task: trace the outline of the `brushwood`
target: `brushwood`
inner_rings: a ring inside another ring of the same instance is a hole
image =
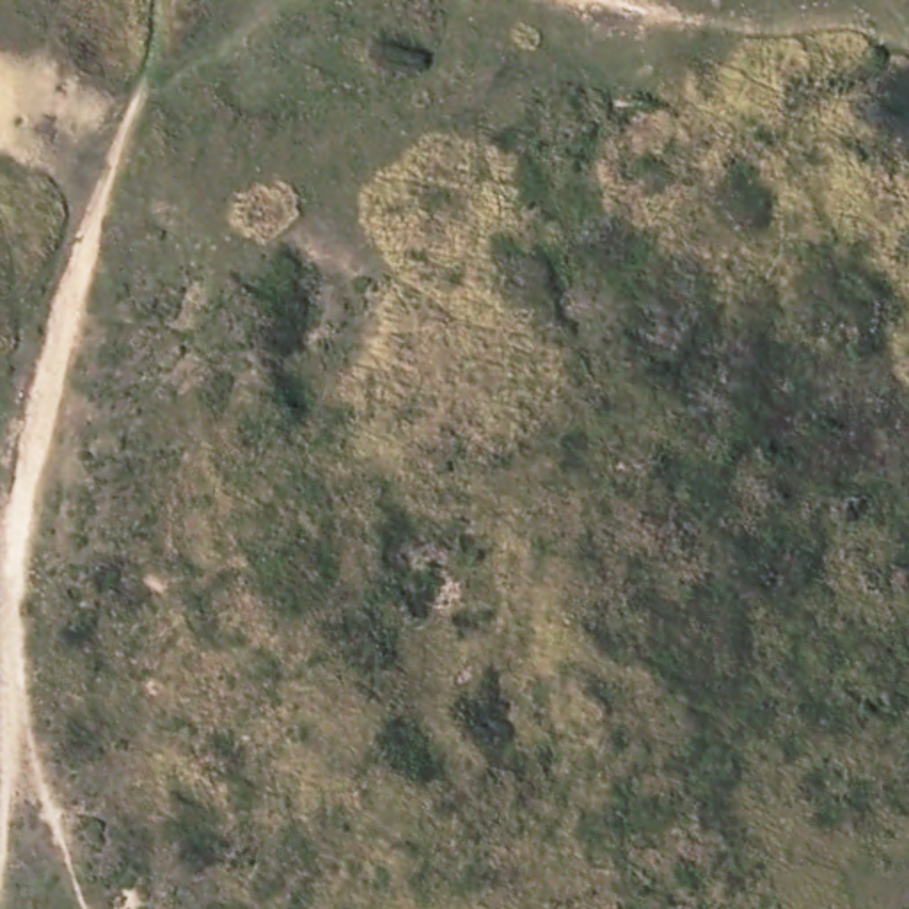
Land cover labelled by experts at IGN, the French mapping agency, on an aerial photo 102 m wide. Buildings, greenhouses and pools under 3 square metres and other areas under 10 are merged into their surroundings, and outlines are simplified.
[[[277,245],[266,273],[231,273],[231,281],[270,316],[266,327],[249,327],[245,341],[252,352],[259,352],[263,373],[273,387],[273,401],[302,423],[309,415],[312,391],[302,376],[288,373],[288,359],[305,348],[305,334],[316,327],[320,266],[309,263],[298,249],[281,245]]]
[[[380,64],[415,71],[433,67],[433,53],[423,43],[387,32],[373,50]]]
[[[188,870],[217,866],[220,852],[227,849],[227,838],[220,831],[192,831],[178,838],[181,863]]]

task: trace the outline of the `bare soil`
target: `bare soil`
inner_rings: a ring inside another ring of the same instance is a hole
[[[284,181],[273,181],[238,192],[227,209],[227,224],[241,238],[277,245],[281,245],[281,234],[298,217],[298,206],[295,192]]]
[[[636,14],[575,7],[582,25],[600,39],[636,39],[646,36],[653,25]]]
[[[96,405],[64,383],[39,490],[53,483],[75,483],[85,469],[78,458],[78,426],[96,419]]]
[[[220,60],[245,57],[249,43],[256,43],[259,32],[273,25],[281,11],[295,0],[252,0],[252,14],[217,43]]]
[[[14,419],[7,440],[0,444],[0,465],[18,476],[25,419]]]
[[[181,0],[0,0],[0,53],[46,57],[57,64],[60,75],[78,75],[78,85],[96,89],[99,96],[131,99],[135,89],[149,92],[149,78],[156,75],[167,46],[181,32]]]
[[[888,327],[891,369],[898,380],[909,376],[909,334],[902,327]]]
[[[92,909],[138,909],[138,891],[92,888],[89,895]]]

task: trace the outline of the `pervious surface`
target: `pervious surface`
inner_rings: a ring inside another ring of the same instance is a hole
[[[25,419],[18,476],[0,465],[0,909],[4,909],[11,817],[18,802],[39,802],[75,909],[92,909],[89,895],[75,859],[71,827],[64,824],[60,802],[50,788],[50,771],[43,763],[28,710],[21,600],[28,540],[36,526],[32,511],[39,490],[64,383],[71,355],[78,348],[78,330],[85,316],[92,270],[99,259],[99,234],[110,209],[110,195],[121,178],[135,121],[149,92],[135,89],[131,99],[99,96],[96,89],[78,85],[78,75],[60,75],[57,64],[46,57],[0,53],[0,153],[25,167],[53,174],[64,195],[71,199],[71,209],[82,217],[67,270],[53,295]]]
[[[813,85],[824,85],[834,71],[859,67],[859,60],[870,53],[866,11],[852,11],[849,18],[792,14],[785,21],[753,21],[742,14],[692,14],[657,0],[557,0],[575,7],[636,14],[653,25],[781,36],[781,43],[799,43],[806,50],[806,75],[813,78]]]

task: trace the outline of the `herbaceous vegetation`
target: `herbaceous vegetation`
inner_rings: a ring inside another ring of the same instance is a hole
[[[18,802],[11,817],[4,909],[75,909],[39,802]]]
[[[0,444],[7,440],[14,419],[25,419],[53,295],[67,270],[82,217],[71,209],[71,199],[64,195],[53,174],[25,167],[0,153]]]
[[[792,14],[849,18],[852,11],[866,11],[870,53],[859,60],[859,67],[834,71],[824,85],[813,85],[813,78],[806,75],[806,50],[799,43],[781,43],[781,36],[653,25],[646,36],[636,39],[600,39],[582,25],[575,7],[557,0],[295,0],[281,11],[273,25],[259,32],[256,43],[249,43],[245,57],[220,60],[217,43],[252,14],[252,0],[181,0],[181,32],[167,46],[156,75],[149,78],[149,92],[135,121],[121,178],[110,195],[110,209],[99,234],[99,259],[92,270],[85,316],[78,330],[78,348],[71,355],[64,383],[96,405],[96,419],[78,426],[78,458],[85,469],[75,483],[53,483],[39,490],[32,511],[36,526],[28,540],[21,600],[28,710],[43,763],[50,771],[50,788],[60,802],[64,824],[71,827],[75,859],[89,895],[92,888],[138,891],[138,909],[909,909],[909,376],[898,380],[891,369],[888,327],[902,327],[909,334],[909,0],[657,0],[692,14],[742,14],[753,21],[785,21]],[[433,53],[433,67],[415,71],[380,64],[373,50],[387,32],[423,43]],[[302,423],[273,401],[273,387],[263,373],[259,352],[252,352],[245,341],[249,327],[266,327],[270,316],[231,281],[231,273],[266,273],[277,245],[241,238],[227,224],[227,209],[238,192],[273,181],[284,181],[295,192],[298,206],[298,217],[281,234],[281,245],[298,249],[309,263],[320,266],[316,327],[305,334],[305,348],[288,359],[288,373],[302,376],[312,391],[309,415]],[[181,863],[178,838],[192,831],[220,831],[227,838],[227,849],[220,852],[217,866],[188,870]]]

